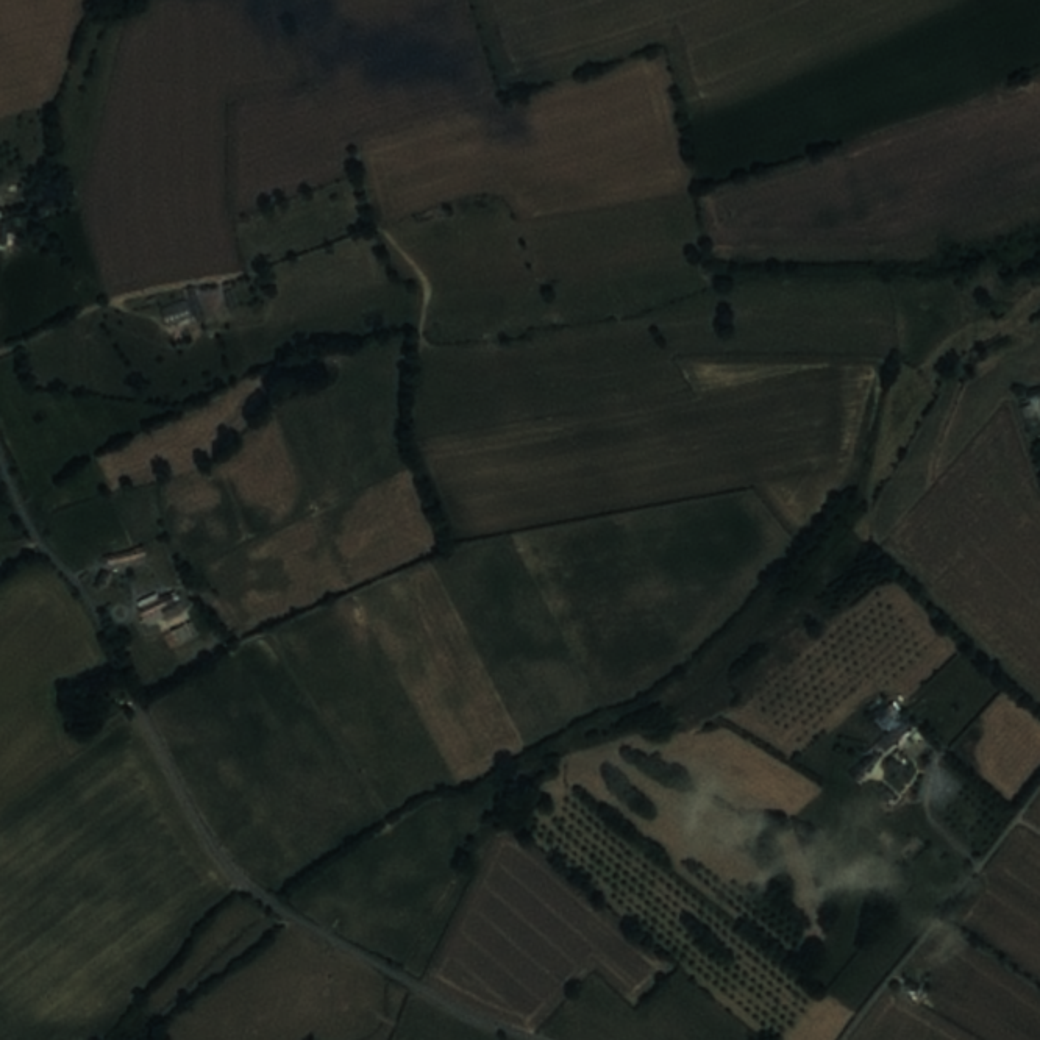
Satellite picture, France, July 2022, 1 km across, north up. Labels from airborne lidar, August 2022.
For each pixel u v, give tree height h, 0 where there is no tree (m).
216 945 0
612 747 0
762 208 0
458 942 0
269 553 0
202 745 0
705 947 17
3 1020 0
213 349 0
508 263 0
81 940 0
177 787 0
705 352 0
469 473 0
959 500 0
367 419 0
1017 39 0
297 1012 0
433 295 0
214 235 0
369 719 0
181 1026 0
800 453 0
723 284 16
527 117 0
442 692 0
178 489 0
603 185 0
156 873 0
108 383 0
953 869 0
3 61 0
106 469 0
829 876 20
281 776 0
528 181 0
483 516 0
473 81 0
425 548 0
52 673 0
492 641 0
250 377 8
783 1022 5
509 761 19
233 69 0
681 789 16
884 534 0
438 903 0
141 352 0
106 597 0
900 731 0
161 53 0
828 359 0
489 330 0
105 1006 0
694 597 0
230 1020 0
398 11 0
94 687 21
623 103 0
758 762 0
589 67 12
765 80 0
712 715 0
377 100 0
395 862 0
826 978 0
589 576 0
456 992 0
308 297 0
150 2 21
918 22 0
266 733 0
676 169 0
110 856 0
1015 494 0
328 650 0
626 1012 0
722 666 0
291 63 0
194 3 0
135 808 0
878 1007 0
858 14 0
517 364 0
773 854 20
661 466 0
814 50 0
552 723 0
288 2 0
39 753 0
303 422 0
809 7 0
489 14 0
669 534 0
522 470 0
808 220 0
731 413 0
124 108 0
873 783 0
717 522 0
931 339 0
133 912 0
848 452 0
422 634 0
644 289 0
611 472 0
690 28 0
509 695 0
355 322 0
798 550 16
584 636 0
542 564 0
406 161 0
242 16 0
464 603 0
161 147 0
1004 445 0
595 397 0
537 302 0
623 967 0
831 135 0
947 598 0
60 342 0
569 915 0
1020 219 0
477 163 0
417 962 0
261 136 0
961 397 0
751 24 0
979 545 0
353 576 0
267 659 0
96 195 0
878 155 0
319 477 0
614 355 0
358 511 0
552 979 0
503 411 0
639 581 0
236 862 0
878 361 0
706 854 0
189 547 0
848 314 0
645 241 0
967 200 0
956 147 0
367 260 0
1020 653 0
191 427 0
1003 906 0
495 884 0
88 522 0
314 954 0
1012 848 0
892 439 0
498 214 0
